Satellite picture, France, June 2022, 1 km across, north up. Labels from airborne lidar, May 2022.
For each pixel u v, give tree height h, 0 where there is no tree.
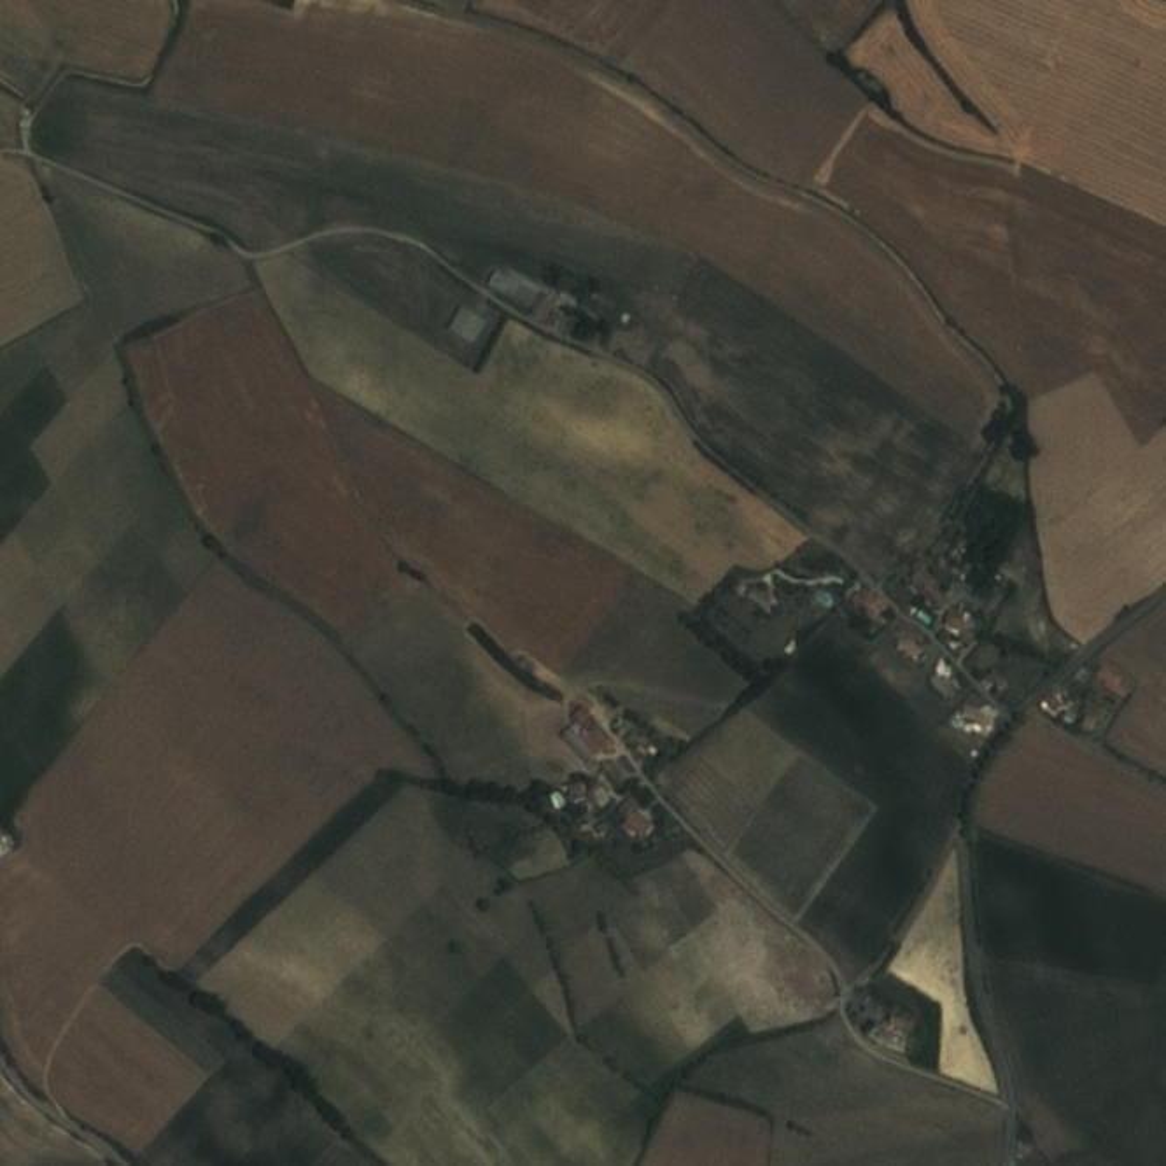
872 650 0
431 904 0
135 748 0
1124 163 0
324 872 0
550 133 0
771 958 0
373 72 0
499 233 0
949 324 7
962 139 0
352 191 0
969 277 0
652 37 0
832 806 0
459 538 0
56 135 0
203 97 0
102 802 0
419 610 0
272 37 0
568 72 0
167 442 0
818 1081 0
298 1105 0
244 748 0
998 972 0
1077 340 0
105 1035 0
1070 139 0
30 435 0
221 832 0
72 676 0
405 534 0
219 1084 0
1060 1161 0
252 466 0
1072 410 0
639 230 0
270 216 0
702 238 0
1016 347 0
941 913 0
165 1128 0
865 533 0
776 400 0
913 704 0
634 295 0
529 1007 0
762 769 0
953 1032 0
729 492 0
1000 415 11
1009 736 14
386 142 0
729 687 0
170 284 0
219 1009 12
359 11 0
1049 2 0
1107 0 0
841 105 0
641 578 0
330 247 0
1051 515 0
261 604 0
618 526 0
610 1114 0
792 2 0
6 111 0
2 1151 0
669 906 0
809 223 0
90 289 0
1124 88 0
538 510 0
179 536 0
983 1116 0
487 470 0
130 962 0
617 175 0
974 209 0
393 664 0
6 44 0
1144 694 0
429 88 0
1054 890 0
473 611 0
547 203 0
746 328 0
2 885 0
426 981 0
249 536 0
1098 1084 0
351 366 0
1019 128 0
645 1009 0
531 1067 0
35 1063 0
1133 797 0
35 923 0
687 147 0
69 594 0
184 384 0
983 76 0
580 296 6
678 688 0
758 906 0
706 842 0
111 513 0
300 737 0
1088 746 0
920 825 0
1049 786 0
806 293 0
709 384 0
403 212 0
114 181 0
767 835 0
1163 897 0
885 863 0
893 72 0
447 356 0
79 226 0
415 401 0
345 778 0
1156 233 0
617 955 6
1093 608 0
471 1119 0
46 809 0
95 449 0
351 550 0
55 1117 0
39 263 0
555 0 0
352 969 0
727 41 0
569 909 0
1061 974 0
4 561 0
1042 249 0
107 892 0
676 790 0
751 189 0
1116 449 0
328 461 0
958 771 0
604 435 0
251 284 0
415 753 0
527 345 0
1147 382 0
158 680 0
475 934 0
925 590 0
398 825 0
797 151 0
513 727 0
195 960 0
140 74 0
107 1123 0
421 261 0
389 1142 0
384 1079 0
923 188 0
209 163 0
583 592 0
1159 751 0
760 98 0
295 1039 0
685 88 0
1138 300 0
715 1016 0
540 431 0
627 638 0
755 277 0
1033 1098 0
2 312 0
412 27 0
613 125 0
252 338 0
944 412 0
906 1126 0
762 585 8
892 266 0
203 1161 0
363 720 0
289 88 0
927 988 0
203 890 0
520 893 0
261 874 0
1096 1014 0
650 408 0
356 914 0
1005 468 0
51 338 0
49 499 0
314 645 0
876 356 0
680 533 0
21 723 0
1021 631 0
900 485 0
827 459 0
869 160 0
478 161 0
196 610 0
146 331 6
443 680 0
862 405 0
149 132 0
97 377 0
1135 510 0
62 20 0
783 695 0
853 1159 0
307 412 0
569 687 0
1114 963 0
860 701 0
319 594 0
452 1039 0
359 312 0
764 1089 0
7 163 0
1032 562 0
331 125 0
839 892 0
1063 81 0
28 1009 0
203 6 0
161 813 0
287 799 0
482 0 0
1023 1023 0
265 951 0
